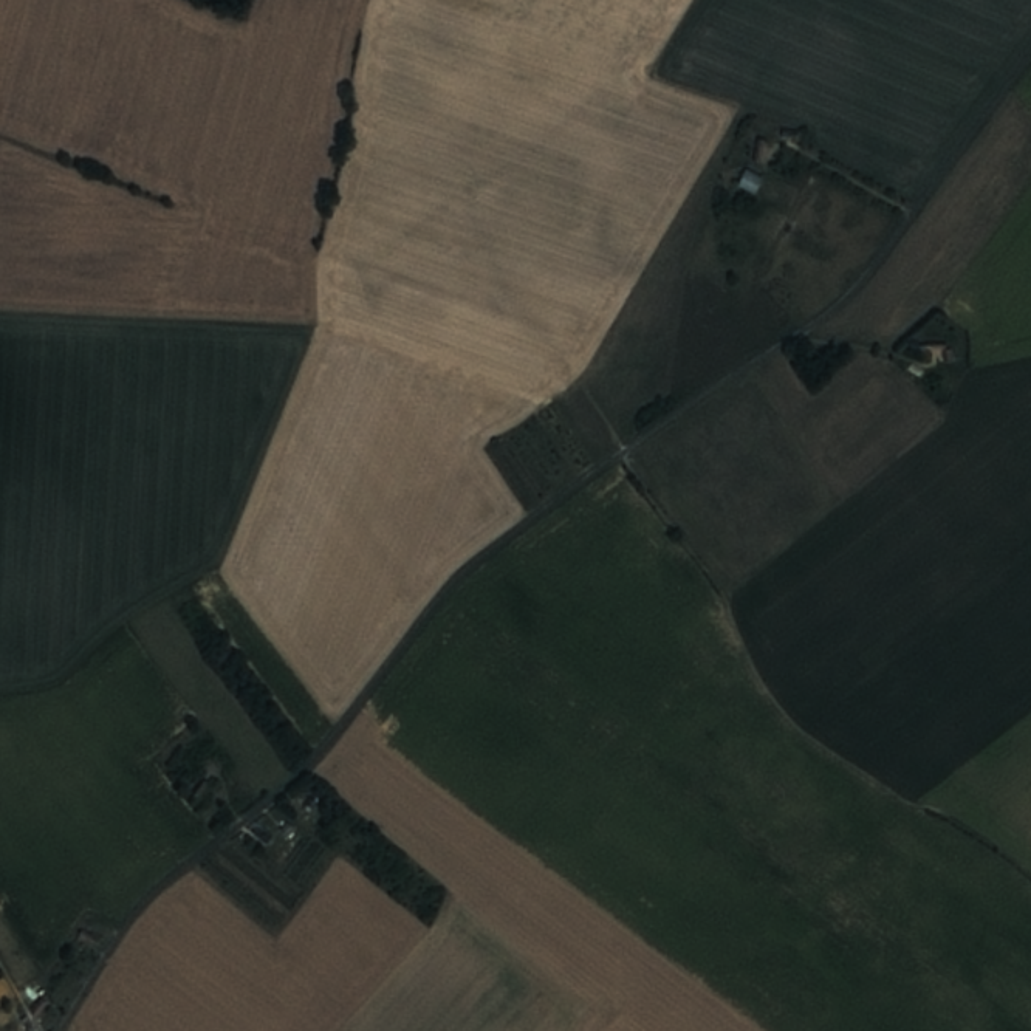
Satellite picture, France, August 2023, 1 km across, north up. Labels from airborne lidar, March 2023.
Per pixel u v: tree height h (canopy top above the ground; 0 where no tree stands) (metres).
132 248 0
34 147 0
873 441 0
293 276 0
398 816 0
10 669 0
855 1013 0
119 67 0
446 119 0
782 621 0
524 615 0
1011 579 0
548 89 0
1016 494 0
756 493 0
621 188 0
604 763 0
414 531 0
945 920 0
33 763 0
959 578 0
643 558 0
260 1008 0
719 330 0
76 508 0
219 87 0
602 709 0
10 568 0
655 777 0
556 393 0
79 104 0
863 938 0
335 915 0
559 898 0
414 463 0
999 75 0
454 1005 0
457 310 0
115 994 0
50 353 0
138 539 0
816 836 0
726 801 0
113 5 0
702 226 0
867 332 0
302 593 0
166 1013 0
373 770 0
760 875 0
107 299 0
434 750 0
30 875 0
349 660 0
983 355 0
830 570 0
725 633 0
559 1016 0
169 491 0
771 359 0
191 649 0
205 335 0
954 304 0
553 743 0
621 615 0
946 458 0
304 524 0
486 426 0
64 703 0
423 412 0
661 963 0
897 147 0
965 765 0
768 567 0
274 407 0
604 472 0
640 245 0
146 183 0
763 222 0
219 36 0
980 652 0
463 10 0
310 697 0
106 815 0
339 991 0
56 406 0
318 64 0
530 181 0
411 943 0
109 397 0
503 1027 0
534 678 0
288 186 0
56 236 0
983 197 0
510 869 0
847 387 0
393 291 0
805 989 0
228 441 0
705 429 0
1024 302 0
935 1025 0
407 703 0
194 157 0
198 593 0
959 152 0
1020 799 0
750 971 0
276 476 0
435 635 0
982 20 0
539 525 0
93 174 14
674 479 0
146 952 0
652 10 0
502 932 0
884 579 0
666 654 0
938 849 0
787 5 0
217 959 0
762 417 0
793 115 0
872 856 0
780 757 0
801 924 0
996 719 0
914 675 0
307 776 10
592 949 0
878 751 0
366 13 0
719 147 0
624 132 0
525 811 0
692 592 0
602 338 0
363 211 0
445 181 0
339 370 0
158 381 0
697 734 0
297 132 0
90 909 0
